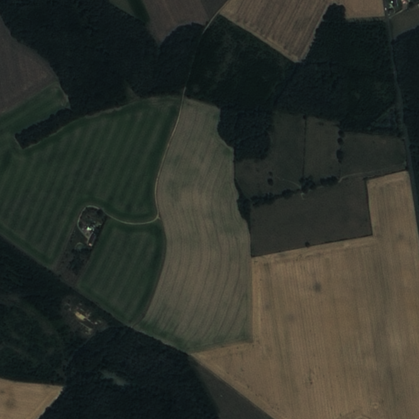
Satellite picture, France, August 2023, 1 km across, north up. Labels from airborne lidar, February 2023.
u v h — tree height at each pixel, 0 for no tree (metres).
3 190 0
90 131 0
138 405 17
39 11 13
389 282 0
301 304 0
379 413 0
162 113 0
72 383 17
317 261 0
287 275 0
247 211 13
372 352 0
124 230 0
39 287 10
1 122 0
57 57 21
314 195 0
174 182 0
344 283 0
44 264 0
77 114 14
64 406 15
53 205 0
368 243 0
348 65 13
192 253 0
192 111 0
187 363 13
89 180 0
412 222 0
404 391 0
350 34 13
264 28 0
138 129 0
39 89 0
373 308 0
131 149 0
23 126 0
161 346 16
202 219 0
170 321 0
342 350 0
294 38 0
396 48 16
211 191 0
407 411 0
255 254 0
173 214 0
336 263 0
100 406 20
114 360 19
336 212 0
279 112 0
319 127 0
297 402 0
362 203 0
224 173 0
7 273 10
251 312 0
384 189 0
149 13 0
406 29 0
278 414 0
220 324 0
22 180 0
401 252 0
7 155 0
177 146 0
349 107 8
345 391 0
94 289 0
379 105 7
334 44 10
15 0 21
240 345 0
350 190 0
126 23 18
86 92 16
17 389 0
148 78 19
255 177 0
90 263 0
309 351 0
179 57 19
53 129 15
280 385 0
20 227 0
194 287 0
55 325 0
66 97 0
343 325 0
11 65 0
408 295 0
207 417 7
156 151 0
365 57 12
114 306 0
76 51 18
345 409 0
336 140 0
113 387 10
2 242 6
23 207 0
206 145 0
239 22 0
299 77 20
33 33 16
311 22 0
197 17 0
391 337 0
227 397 0
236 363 0
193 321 0
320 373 0
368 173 0
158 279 0
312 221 0
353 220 0
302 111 16
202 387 7
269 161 0
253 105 9
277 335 0
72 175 0
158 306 0
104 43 20
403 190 0
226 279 0
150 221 0
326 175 0
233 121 20
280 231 0
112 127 0
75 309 0
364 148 0
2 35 0
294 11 0
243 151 21
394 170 0
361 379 0
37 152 0
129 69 20
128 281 0
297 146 0
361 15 0
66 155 0
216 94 6
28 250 0
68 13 22
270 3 0
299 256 0
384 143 0
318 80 20
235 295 0
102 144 0
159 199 0
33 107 0
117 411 19
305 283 0
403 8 0
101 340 9
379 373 0
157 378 21
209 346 0
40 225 0
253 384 0
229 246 0
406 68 21
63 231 0
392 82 6
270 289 0
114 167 0
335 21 13
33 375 6
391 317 0
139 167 0
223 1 0
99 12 19
